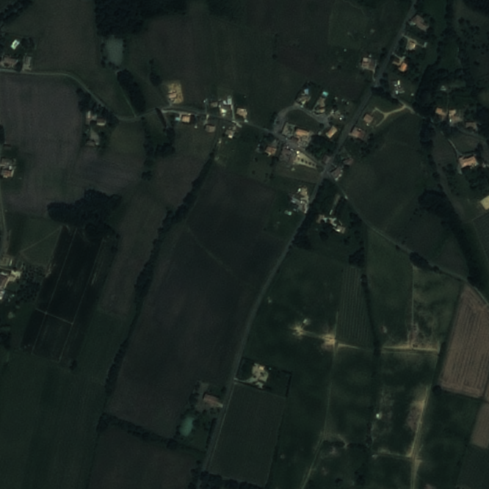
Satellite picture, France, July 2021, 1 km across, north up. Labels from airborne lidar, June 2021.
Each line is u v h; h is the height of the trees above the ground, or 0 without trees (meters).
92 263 0
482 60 0
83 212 20
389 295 0
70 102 0
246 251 0
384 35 0
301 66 0
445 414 0
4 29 0
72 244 0
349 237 7
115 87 0
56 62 0
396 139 0
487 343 0
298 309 0
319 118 0
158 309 0
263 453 0
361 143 10
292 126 0
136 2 26
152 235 0
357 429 0
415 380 0
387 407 0
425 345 0
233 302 0
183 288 0
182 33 0
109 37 11
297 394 0
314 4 0
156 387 0
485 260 0
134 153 0
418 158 0
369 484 0
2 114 0
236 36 0
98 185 0
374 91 15
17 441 0
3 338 13
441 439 0
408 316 0
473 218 0
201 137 0
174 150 9
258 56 0
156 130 0
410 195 0
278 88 0
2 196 0
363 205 0
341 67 7
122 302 0
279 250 0
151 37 0
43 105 0
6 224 0
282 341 0
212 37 0
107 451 0
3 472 0
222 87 0
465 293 0
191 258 0
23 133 0
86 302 0
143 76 0
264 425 0
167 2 12
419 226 0
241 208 0
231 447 0
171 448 11
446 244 0
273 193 0
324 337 0
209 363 0
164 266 0
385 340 0
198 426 15
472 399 0
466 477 0
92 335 0
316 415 0
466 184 0
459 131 22
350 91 0
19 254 0
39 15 0
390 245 0
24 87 0
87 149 0
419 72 11
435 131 31
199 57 0
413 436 0
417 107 18
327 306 0
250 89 0
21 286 7
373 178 0
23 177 0
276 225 0
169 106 0
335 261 0
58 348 0
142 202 0
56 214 22
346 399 0
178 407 0
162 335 0
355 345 0
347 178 0
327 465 0
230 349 0
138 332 0
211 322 0
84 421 0
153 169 0
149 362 0
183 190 0
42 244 0
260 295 0
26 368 0
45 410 0
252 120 0
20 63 10
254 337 0
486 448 0
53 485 0
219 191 0
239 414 0
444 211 14
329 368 0
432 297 0
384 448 0
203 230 0
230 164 0
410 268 0
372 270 0
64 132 0
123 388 0
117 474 0
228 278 0
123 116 0
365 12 0
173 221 17
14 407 0
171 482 0
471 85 17
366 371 0
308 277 0
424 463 0
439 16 0
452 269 0
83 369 0
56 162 0
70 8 0
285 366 0
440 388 14
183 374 0
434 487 0
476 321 0
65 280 0
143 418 0
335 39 0
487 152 0
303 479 0
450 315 0
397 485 0
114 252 10
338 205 9
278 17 0
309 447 0
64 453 0
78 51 0
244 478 0
